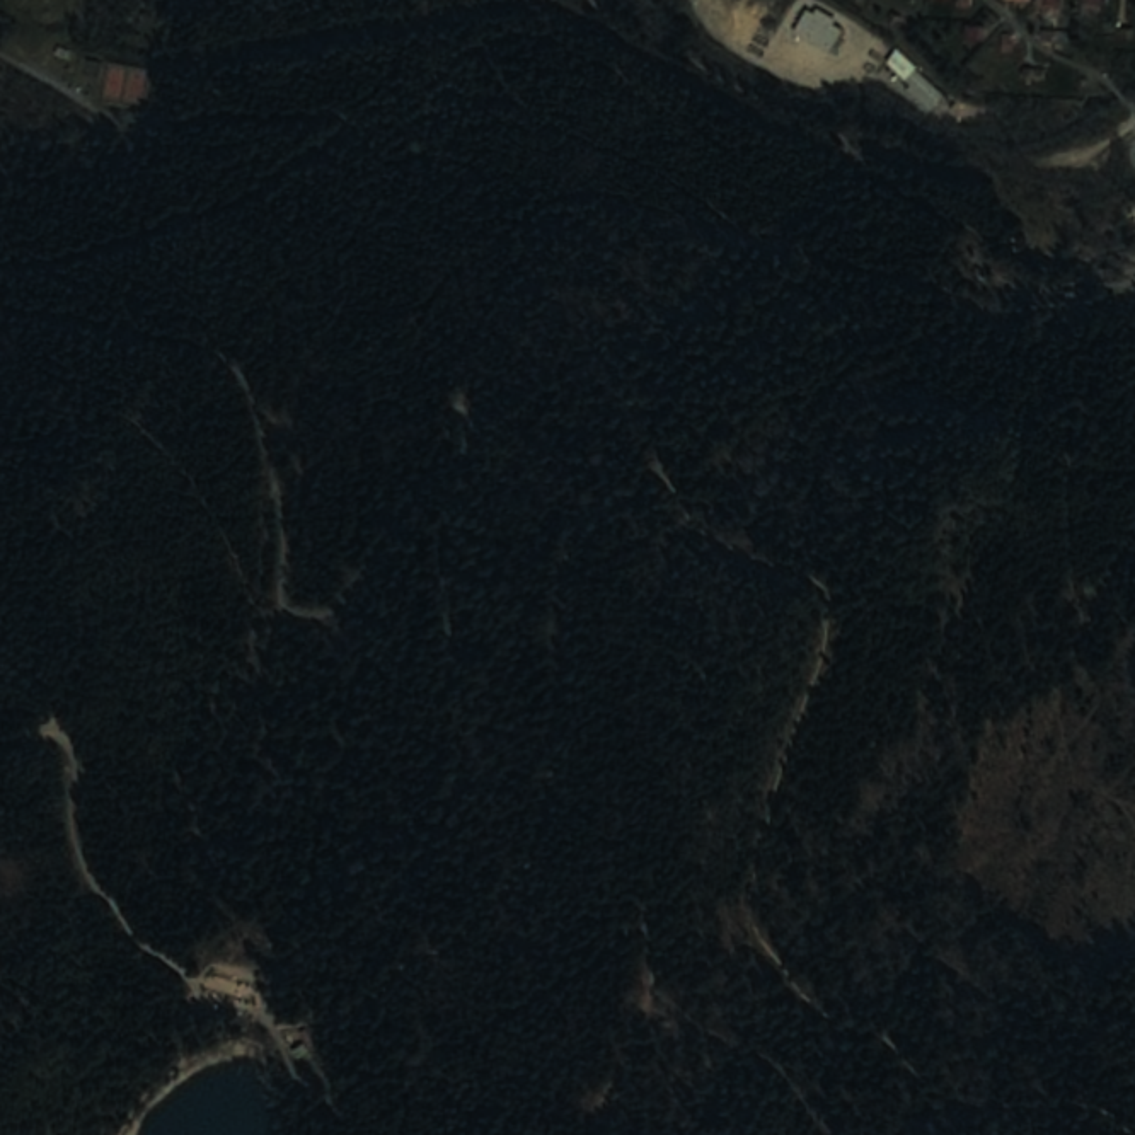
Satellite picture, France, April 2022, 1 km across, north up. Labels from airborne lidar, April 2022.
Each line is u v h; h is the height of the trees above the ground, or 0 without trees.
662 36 23
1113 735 7
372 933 17
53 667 27
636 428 22
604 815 21
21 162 19
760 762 18
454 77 33
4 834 14
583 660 24
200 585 22
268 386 19
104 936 24
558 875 25
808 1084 15
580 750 27
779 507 18
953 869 28
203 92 30
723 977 28
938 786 27
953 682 17
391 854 27
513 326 19
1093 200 10
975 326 22
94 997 12
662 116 14
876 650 17
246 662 22
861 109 25
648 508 23
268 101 33
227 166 33
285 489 14
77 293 26
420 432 17
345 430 24
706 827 25
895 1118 24
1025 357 27
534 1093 21
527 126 11
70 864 16
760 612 22
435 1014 15
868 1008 35
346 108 31
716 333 33
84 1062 19
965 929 30
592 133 17
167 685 26
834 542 25
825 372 24
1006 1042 31
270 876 37
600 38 17
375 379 15
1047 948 30
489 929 23
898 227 14
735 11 0
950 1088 30
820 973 29
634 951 21
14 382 21
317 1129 25
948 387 28
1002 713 27
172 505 17
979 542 26
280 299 21
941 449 33
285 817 14
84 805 26
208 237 29
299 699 17
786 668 36
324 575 16
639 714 17
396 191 24
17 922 14
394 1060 25
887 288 24
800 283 10
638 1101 19
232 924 16
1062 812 6
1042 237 0
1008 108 13
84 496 7
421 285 21
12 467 24
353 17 21
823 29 0
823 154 21
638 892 24
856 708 23
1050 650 22
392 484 16
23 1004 17
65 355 26
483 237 27
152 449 14
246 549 21
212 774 35
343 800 30
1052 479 23
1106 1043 33
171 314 27
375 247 24
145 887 24
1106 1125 12
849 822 25
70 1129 7
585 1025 20
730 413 17
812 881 35
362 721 28
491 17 21
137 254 29
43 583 27
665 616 10
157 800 21
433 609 36
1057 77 0
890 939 13
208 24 30
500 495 16
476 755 19
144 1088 11
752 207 13
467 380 23
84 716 25
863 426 23
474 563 14
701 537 10
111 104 0
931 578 25
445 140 24
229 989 0
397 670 35
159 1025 21
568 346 27
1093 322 29
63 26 0
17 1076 17
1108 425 25
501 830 23
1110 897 0
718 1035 9
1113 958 11
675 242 33
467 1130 25
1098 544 23
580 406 25
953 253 12
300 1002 16
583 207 24
